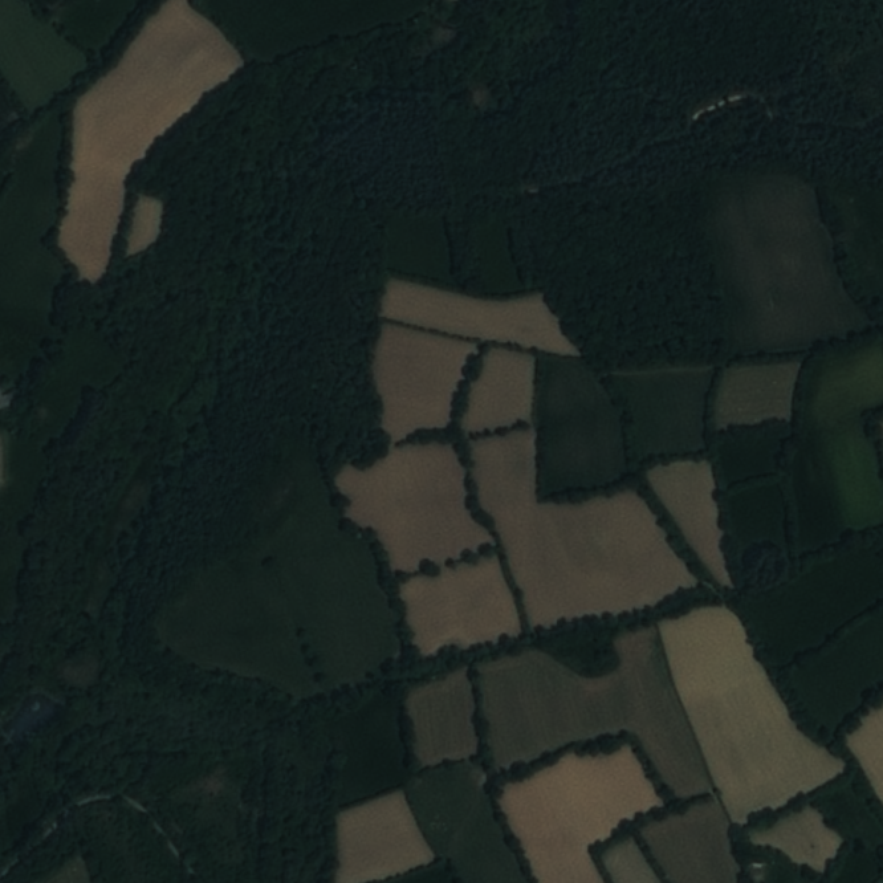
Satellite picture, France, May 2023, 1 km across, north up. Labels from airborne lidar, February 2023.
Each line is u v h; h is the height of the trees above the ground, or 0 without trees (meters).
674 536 8
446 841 0
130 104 0
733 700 0
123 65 0
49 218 0
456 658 8
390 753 0
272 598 0
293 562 0
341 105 22
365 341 17
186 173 16
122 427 16
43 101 0
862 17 18
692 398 0
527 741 0
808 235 0
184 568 16
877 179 17
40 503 19
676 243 14
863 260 0
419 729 0
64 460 18
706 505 0
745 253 0
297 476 0
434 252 0
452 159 20
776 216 0
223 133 13
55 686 6
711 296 20
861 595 0
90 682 0
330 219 16
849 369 0
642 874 0
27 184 0
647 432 0
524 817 0
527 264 14
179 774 6
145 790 10
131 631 16
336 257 22
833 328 0
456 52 16
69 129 8
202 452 6
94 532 20
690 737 0
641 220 17
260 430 16
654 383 0
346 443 19
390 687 17
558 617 0
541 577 0
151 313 13
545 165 26
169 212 15
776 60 16
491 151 21
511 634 0
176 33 0
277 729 13
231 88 12
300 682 0
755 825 19
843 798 0
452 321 0
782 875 0
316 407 21
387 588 18
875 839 0
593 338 22
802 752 0
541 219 19
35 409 12
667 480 0
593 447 0
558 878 0
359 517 0
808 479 0
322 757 11
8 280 0
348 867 0
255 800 9
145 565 21
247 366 20
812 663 13
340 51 14
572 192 19
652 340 20
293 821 12
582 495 15
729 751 0
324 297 19
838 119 19
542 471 10
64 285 16
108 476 16
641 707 0
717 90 19
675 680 0
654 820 15
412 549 0
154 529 23
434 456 0
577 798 0
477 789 0
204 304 16
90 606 0
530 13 14
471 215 19
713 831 0
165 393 10
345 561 0
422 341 0
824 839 0
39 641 17
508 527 0
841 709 0
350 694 20
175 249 17
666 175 23
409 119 38
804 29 15
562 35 15
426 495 0
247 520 13
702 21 19
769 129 17
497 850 0
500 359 0
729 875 0
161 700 6
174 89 0
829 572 0
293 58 14
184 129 21
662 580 0
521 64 11
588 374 0
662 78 16
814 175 17
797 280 0
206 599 0
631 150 26
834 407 0
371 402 17
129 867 0
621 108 20
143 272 20
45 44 0
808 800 9
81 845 12
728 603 9
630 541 0
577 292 21
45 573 22
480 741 12
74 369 0
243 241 18
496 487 0
